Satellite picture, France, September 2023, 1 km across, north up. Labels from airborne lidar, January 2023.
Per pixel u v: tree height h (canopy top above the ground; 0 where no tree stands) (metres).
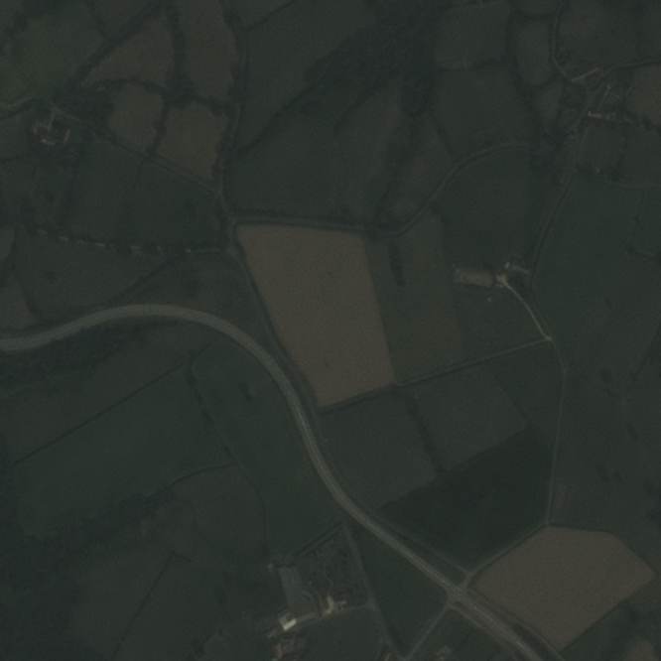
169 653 0
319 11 0
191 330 0
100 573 0
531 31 0
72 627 0
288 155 0
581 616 0
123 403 0
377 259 0
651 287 0
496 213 0
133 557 0
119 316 0
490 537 0
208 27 0
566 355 0
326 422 0
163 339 0
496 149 0
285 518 0
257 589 0
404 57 26
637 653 0
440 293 0
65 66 0
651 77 0
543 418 0
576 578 0
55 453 0
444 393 0
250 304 0
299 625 0
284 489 0
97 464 0
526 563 0
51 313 0
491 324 0
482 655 0
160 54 0
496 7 0
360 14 0
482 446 0
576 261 0
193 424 0
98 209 0
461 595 0
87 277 0
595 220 0
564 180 0
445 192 0
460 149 0
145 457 0
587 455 0
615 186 0
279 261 0
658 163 0
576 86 6
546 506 0
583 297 0
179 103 9
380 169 0
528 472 0
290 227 0
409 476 0
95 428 0
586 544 0
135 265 0
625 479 0
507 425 0
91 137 12
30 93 0
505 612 0
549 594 0
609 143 0
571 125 0
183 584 0
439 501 0
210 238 0
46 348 10
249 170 0
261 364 0
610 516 0
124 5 0
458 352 0
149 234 0
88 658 18
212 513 0
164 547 0
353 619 0
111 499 0
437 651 0
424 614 0
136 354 0
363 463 0
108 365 0
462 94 0
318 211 0
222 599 13
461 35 0
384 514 0
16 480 0
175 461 0
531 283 0
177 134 0
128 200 0
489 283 0
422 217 0
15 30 6
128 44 0
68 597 20
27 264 0
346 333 0
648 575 0
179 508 0
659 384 0
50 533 0
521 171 0
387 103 0
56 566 24
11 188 0
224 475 0
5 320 0
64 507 0
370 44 34
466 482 0
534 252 0
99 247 0
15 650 26
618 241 0
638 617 17
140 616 0
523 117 0
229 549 0
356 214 0
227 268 0
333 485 0
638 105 0
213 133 0
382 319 0
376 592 0
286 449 0
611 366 0
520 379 0
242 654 0
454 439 0
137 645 0
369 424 0
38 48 0
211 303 0
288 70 0
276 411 0
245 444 0
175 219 0
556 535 0
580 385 0
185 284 0
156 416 0
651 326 0
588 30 0
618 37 0
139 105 0
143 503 16
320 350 0
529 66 0
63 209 12
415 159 0
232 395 0
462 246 0
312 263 0
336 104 0
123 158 0
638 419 0
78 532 21
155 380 0
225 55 0
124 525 21
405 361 0
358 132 0
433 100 0
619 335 0
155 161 0
